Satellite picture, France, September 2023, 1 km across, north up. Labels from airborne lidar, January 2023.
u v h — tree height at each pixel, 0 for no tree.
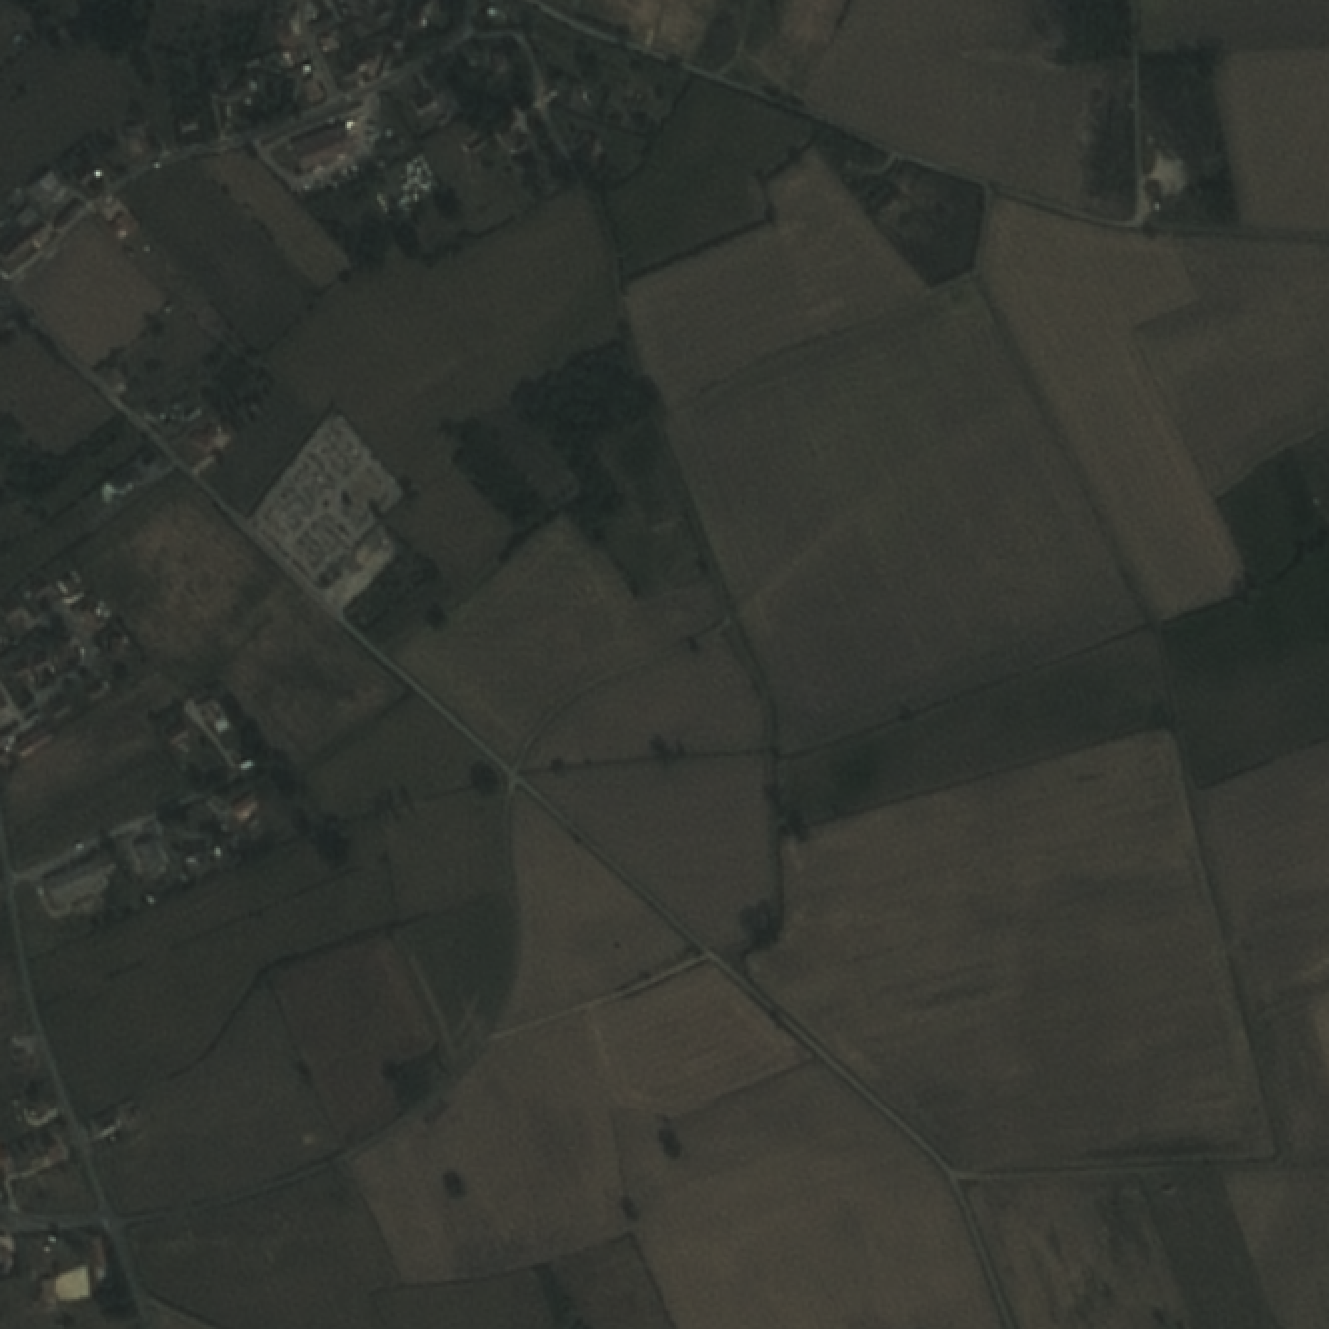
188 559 0
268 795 0
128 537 0
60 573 0
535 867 0
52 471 6
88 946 0
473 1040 0
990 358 0
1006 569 0
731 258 0
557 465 0
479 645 0
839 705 0
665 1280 0
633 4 0
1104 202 18
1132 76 24
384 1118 0
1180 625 0
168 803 0
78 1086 0
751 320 0
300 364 0
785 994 0
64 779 0
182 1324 0
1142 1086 0
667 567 0
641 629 0
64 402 0
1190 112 0
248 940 0
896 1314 0
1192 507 0
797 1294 0
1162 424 0
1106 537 0
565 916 0
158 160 0
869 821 0
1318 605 0
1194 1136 0
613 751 0
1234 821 0
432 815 0
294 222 0
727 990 0
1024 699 0
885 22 0
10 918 0
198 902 0
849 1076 0
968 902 0
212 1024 0
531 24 6
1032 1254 0
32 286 0
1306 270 0
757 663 0
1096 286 0
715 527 0
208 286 0
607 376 14
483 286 0
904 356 0
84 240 0
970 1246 0
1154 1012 0
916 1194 0
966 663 0
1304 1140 0
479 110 12
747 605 0
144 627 0
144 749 0
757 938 19
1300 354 0
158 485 0
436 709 0
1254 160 0
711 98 0
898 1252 0
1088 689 0
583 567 0
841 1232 0
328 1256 0
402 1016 0
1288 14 0
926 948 0
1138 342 0
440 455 0
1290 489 0
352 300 0
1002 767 0
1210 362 0
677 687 0
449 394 0
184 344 0
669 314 0
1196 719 0
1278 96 0
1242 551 0
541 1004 0
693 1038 0
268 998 0
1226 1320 0
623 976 0
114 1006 0
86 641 0
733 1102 0
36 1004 0
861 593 0
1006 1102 0
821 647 0
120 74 0
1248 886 0
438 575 12
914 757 0
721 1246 0
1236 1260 0
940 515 0
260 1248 0
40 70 0
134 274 0
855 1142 0
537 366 0
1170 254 0
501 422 0
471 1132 0
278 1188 0
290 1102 0
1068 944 0
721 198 0
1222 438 0
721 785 0
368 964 0
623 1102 0
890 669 0
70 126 0
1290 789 0
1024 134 0
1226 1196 0
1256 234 0
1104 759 0
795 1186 0
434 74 11
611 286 0
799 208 0
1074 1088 0
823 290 0
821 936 0
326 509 0
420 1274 0
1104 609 0
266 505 0
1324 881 0
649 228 0
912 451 0
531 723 0
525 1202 0
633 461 0
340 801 0
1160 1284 0
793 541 0
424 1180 0
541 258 0
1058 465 0
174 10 0
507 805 0
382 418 0
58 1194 0
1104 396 0
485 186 0
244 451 0
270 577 0
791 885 0
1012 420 0
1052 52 29
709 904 0
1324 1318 0
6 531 0
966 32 0
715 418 0
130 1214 0
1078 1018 0
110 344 0
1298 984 0
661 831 0
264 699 0
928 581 0
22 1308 0
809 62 0
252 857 13
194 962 0
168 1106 0
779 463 0
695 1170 0
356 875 0
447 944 0
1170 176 0
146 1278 0
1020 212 0
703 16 0
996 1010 0
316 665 0
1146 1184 0
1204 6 0
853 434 0
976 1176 0
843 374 0
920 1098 0
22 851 0
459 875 0
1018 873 0
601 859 0
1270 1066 0
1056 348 0
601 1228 0
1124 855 0
